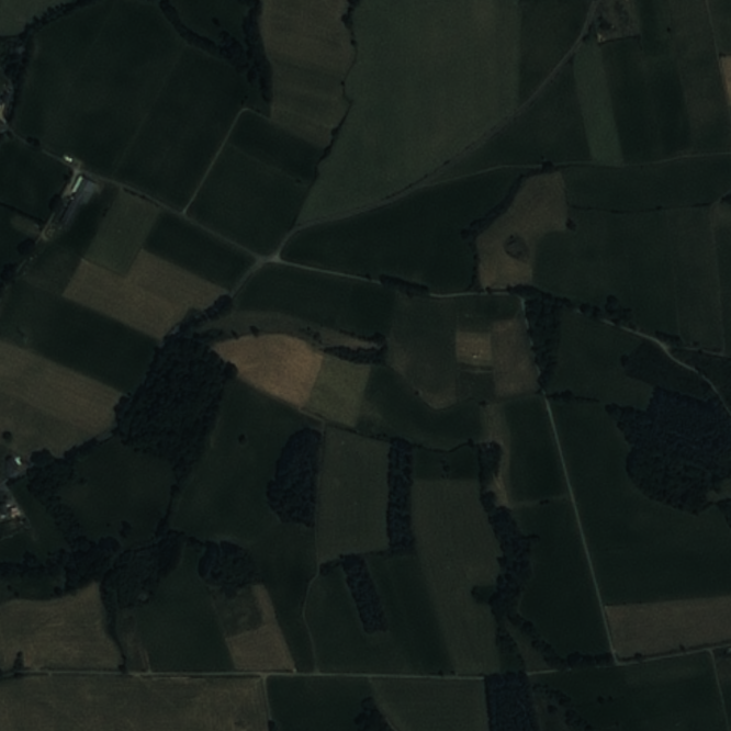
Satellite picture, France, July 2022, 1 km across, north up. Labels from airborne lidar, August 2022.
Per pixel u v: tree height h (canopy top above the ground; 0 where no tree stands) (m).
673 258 0
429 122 0
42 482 15
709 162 0
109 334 0
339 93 0
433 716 0
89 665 0
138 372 0
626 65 0
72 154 0
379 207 0
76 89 0
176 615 0
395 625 0
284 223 0
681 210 0
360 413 0
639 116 0
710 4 0
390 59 0
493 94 0
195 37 18
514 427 0
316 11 0
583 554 0
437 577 0
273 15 0
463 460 0
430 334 0
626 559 0
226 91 0
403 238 0
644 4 0
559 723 0
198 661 0
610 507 0
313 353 0
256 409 0
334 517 0
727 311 0
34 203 0
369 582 17
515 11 0
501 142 0
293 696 0
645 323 0
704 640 0
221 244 0
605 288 0
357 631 0
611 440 0
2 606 0
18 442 0
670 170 0
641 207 0
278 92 0
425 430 0
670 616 0
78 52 0
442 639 0
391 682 0
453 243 0
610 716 0
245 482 0
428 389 0
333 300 0
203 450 16
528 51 0
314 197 0
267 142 0
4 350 0
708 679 0
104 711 0
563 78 0
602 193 0
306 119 0
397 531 21
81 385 0
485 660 0
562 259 0
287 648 0
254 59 12
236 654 0
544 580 0
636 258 0
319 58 0
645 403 0
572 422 0
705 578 0
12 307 0
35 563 16
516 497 0
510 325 0
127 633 0
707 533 0
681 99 0
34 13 0
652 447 22
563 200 0
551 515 0
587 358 0
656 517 0
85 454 14
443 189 0
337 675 0
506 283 0
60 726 0
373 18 0
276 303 0
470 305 0
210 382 9
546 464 0
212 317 15
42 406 0
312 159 0
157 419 17
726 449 23
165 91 0
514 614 18
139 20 0
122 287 0
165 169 0
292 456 25
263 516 0
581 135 0
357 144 0
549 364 14
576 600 0
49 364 0
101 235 0
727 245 0
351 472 0
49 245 0
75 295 0
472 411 0
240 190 0
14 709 0
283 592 0
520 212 0
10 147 0
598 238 0
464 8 0
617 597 0
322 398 0
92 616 0
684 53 0
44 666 0
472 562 0
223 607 0
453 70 0
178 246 0
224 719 0
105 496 0
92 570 19
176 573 0
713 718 0
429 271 0
